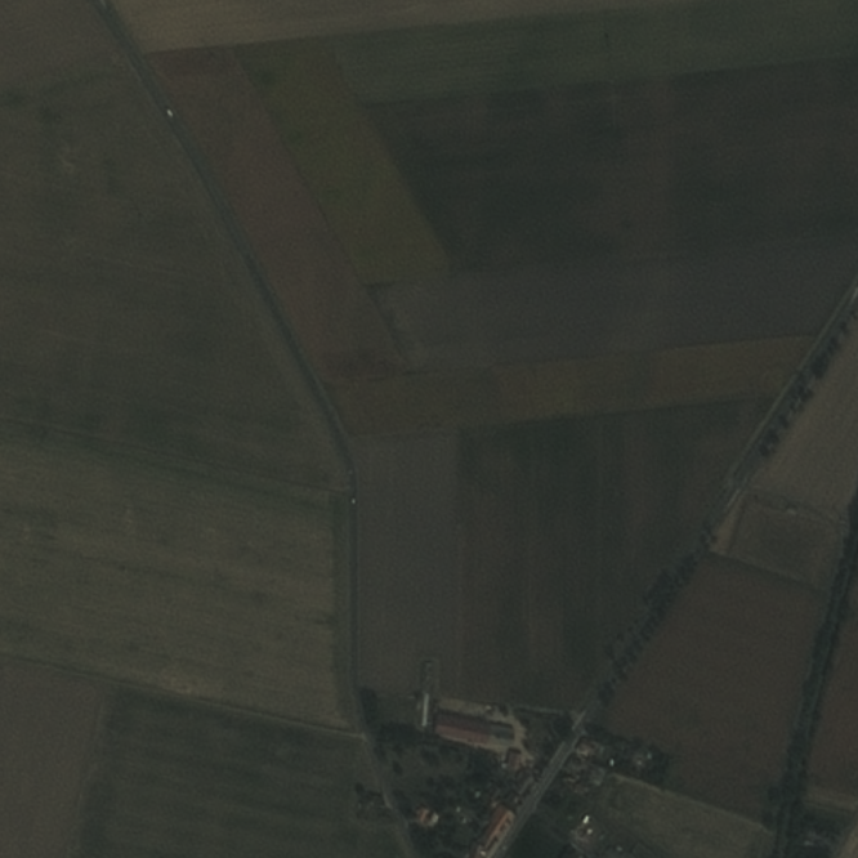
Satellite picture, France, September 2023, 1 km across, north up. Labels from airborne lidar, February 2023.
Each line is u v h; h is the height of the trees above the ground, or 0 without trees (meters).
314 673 0
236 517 0
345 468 0
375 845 0
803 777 9
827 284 0
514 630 0
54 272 0
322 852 0
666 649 0
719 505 0
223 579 0
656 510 0
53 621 0
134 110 0
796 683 0
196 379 0
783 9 0
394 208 0
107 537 0
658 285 0
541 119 0
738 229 0
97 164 0
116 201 0
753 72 0
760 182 0
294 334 0
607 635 0
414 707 0
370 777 0
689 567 13
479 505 0
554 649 0
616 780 0
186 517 0
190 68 0
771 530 0
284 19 0
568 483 0
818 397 0
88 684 0
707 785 0
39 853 0
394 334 0
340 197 0
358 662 0
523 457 0
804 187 0
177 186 0
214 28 0
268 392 0
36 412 0
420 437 0
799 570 0
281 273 0
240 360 0
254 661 0
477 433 0
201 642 0
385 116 0
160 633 0
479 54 0
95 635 0
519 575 0
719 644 0
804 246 0
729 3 0
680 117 0
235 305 0
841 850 0
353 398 0
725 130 0
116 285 0
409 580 0
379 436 0
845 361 0
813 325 0
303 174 0
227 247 0
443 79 0
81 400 0
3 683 0
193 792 0
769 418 0
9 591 0
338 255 0
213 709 0
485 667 0
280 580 0
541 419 0
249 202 0
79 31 0
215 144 0
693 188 0
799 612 0
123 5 0
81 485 0
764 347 0
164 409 0
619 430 0
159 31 0
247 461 0
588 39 0
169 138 0
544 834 0
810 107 0
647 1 0
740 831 0
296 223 0
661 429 0
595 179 0
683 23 0
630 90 0
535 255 0
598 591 0
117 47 0
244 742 0
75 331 0
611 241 0
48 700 0
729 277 0
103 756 0
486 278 0
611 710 0
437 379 0
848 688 0
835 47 0
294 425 0
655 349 0
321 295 0
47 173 0
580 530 0
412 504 0
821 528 0
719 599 0
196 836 0
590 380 0
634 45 0
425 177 0
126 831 0
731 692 0
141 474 0
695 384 0
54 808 0
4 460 0
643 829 0
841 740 0
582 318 0
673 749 0
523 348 0
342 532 0
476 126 0
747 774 0
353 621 0
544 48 0
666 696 0
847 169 0
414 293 0
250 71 0
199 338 0
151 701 0
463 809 0
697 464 0
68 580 0
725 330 0
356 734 0
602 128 0
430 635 0
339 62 0
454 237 0
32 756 0
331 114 0
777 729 0
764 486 0
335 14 0
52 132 0
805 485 0
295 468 0
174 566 0
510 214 0
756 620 0
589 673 0
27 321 0
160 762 0
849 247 0
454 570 0
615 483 0
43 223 0
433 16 0
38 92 0
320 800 0
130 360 0
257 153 0
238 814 0
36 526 0
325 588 0
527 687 0
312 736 0
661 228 0
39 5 0
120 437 0
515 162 0
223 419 0
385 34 0
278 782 0
